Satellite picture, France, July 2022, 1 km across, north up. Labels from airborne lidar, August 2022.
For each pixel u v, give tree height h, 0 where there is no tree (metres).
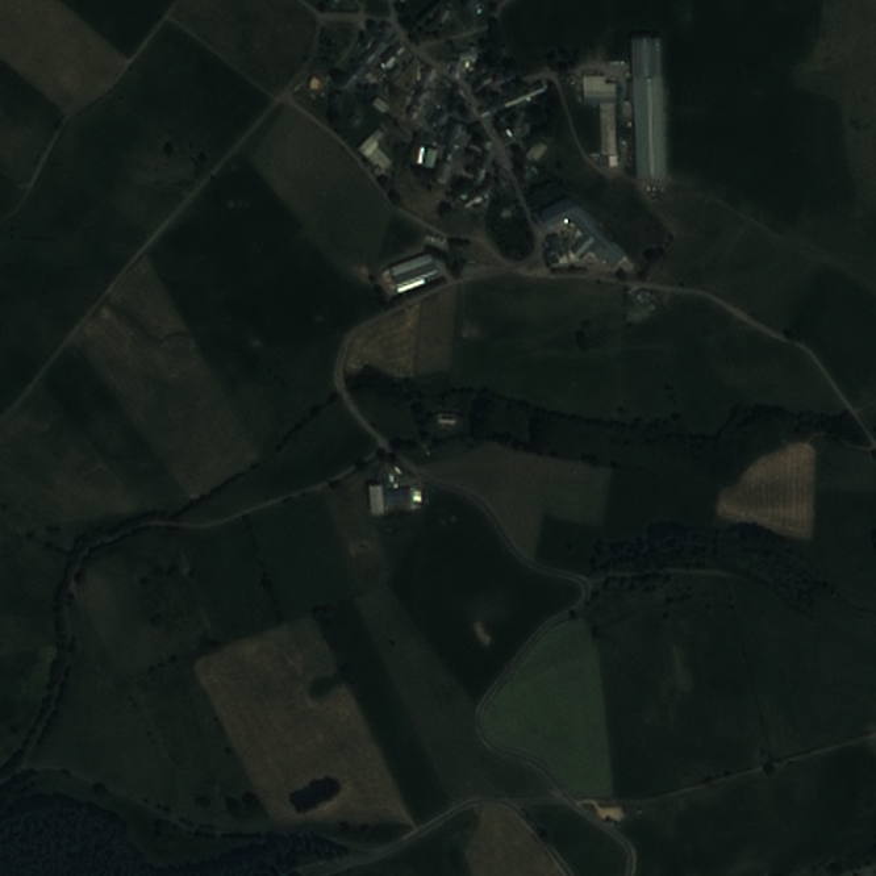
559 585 0
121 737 0
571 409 0
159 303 0
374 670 0
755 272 0
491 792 0
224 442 0
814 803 0
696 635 0
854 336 0
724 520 0
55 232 0
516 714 0
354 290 0
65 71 0
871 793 0
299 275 0
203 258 0
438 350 0
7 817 14
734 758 0
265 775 0
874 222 0
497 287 0
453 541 0
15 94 0
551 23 0
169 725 0
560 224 0
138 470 0
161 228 0
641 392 0
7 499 0
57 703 10
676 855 0
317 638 0
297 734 0
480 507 0
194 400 0
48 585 0
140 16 0
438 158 10
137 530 7
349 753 0
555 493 0
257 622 0
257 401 0
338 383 0
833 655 0
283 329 0
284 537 0
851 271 0
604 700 0
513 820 0
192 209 0
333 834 0
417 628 0
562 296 0
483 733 0
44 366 0
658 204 0
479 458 0
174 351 0
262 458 0
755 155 0
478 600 0
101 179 0
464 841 0
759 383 0
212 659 0
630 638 0
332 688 0
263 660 0
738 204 0
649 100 0
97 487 0
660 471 0
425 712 0
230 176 0
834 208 0
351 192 0
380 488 0
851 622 0
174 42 0
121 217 0
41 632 0
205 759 0
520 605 0
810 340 0
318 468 0
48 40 0
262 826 0
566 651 0
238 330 0
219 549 0
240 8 0
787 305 0
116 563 0
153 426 0
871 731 0
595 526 0
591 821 0
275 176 0
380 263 0
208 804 7
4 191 0
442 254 14
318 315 0
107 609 0
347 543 0
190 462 0
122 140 0
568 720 0
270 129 0
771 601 0
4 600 0
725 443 8
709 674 0
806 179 0
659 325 0
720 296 0
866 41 0
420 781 0
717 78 0
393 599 0
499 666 0
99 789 13
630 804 0
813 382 0
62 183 0
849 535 0
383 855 0
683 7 0
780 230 0
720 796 0
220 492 9
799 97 0
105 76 0
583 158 0
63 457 0
